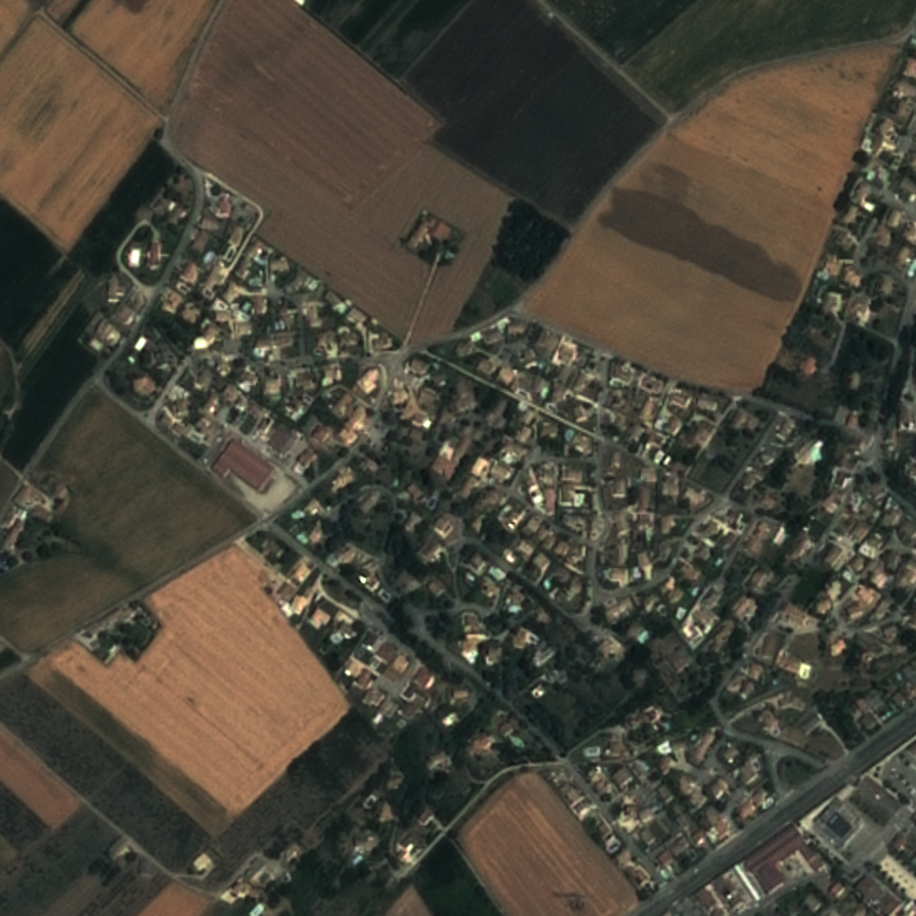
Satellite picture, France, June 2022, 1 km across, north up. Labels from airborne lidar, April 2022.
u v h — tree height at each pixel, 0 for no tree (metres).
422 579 7
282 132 0
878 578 0
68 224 0
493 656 0
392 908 0
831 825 0
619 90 0
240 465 0
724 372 0
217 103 0
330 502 12
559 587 10
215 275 0
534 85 0
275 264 0
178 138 0
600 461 0
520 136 0
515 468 6
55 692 0
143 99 0
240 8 0
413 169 0
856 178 8
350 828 10
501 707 12
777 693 0
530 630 12
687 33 0
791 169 0
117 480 0
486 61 0
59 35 0
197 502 0
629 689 10
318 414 11
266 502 0
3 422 6
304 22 0
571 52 0
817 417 12
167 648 0
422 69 0
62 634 0
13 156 0
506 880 0
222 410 0
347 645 10
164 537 0
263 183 0
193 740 0
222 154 0
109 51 0
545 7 0
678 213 0
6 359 0
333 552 15
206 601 0
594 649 8
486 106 0
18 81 0
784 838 0
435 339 0
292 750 0
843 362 12
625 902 0
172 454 0
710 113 0
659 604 5
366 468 0
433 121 0
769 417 11
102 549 0
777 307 0
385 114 0
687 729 7
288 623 0
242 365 8
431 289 0
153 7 0
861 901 7
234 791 0
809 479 0
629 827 0
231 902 0
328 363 7
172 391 0
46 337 0
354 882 9
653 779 8
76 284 0
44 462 0
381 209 0
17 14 0
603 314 0
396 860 9
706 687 14
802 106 0
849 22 0
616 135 0
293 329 7
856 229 14
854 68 0
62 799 0
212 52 0
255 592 0
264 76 0
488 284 0
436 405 8
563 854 0
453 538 0
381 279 0
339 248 0
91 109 0
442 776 12
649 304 0
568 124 0
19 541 7
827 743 0
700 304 0
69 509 0
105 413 0
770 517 8
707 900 0
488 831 0
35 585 0
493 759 0
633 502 8
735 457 7
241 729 0
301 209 0
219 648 0
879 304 16
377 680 0
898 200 0
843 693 8
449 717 9
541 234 9
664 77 0
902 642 9
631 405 0
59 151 0
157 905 0
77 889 0
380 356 0
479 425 7
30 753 0
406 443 10
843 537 0
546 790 0
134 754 0
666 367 0
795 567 6
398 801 11
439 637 13
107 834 0
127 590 0
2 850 0
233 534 0
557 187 0
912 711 0
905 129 10
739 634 11
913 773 0
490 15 0
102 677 0
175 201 10
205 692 0
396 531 13
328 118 0
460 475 8
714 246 0
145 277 8
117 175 0
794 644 0
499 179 0
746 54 0
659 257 0
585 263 0
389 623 6
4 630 0
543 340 0
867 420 9
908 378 8
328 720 0
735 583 12
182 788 0
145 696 0
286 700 0
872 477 11
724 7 0
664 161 0
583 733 10
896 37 0
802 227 0
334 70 0
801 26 0
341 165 0
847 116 0
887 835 0
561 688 13
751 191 0
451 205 0
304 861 9
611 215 0
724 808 8
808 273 0
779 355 0
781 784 0
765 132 0
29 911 0
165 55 0
